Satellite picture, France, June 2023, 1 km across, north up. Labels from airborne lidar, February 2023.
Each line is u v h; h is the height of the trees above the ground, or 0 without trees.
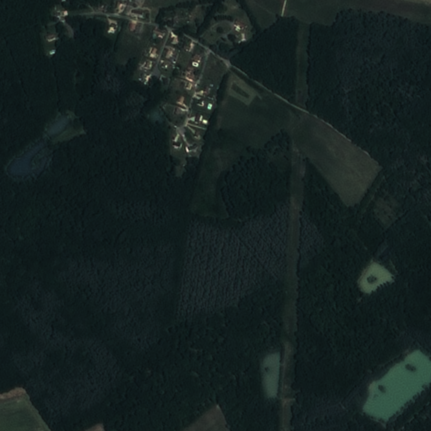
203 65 0
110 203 24
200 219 20
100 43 25
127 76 28
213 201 0
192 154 0
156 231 27
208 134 15
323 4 0
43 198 20
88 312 24
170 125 18
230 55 24
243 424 20
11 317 24
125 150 23
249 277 18
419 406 7
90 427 6
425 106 23
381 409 0
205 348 24
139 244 22
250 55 23
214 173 0
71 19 14
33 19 19
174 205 25
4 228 23
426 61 25
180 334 24
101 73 27
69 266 22
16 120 22
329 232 10
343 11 6
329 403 21
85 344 23
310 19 0
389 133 26
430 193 23
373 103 7
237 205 23
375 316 20
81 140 18
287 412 0
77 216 15
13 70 17
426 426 19
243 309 22
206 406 10
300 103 0
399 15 0
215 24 0
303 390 15
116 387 25
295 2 0
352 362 18
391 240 23
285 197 20
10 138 16
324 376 18
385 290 17
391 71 22
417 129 24
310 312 16
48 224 21
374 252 7
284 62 22
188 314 17
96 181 18
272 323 25
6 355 24
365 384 15
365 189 0
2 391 22
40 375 24
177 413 23
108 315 21
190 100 0
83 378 27
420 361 0
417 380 0
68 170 7
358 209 15
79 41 24
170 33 0
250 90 0
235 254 22
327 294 24
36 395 22
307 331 8
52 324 20
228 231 22
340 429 16
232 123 0
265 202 20
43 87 23
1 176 14
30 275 23
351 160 0
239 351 24
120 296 24
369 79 24
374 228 7
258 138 0
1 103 18
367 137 21
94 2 11
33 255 20
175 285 23
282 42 24
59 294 25
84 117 22
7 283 27
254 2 0
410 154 20
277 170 23
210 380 24
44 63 23
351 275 15
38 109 25
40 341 27
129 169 14
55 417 26
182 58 0
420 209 20
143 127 24
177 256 24
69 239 22
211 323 20
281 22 18
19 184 12
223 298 19
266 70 23
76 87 18
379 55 27
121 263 24
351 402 16
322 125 0
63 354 25
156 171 18
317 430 15
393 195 8
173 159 22
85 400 27
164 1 0
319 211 6
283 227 21
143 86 21
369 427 18
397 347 8
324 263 24
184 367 22
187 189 24
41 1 19
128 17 0
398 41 23
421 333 13
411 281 23
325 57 24
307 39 0
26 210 20
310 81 18
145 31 0
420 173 21
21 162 0
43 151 10
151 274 27
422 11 0
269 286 19
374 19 22
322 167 0
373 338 21
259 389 10
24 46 26
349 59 32
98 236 27
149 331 28
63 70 21
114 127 25
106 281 24
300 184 0
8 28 19
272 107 0
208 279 20
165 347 21
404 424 17
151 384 25
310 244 20
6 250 23
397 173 19
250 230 22
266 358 0
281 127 0
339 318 20
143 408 22
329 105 21
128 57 0
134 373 29
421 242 24
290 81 22
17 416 0
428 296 15
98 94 26
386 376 0
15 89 22
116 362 24
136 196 28
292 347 0
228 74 6
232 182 21
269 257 20
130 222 23
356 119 21
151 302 25
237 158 0
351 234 16
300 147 0
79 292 17
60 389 26
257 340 22
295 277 0
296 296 0
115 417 19
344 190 0
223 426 0
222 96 15
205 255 21
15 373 24
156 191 23
